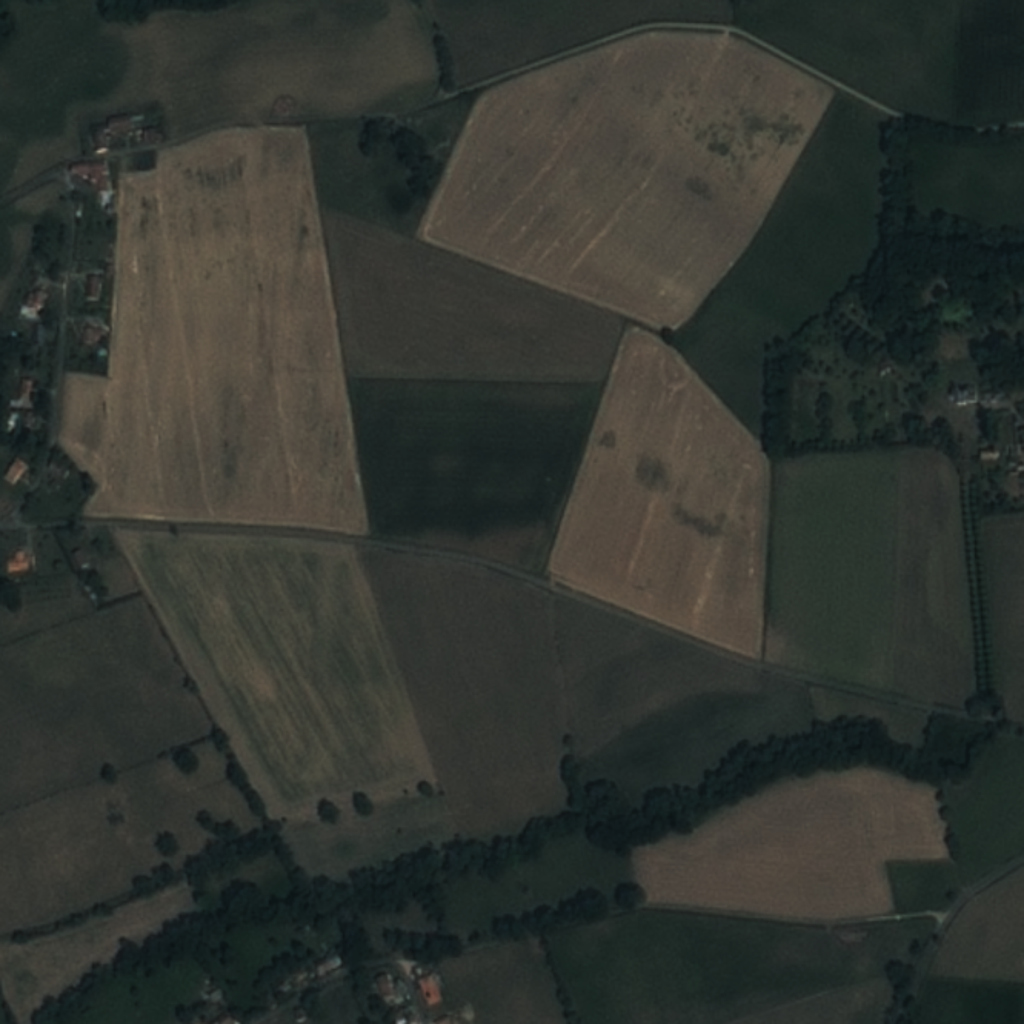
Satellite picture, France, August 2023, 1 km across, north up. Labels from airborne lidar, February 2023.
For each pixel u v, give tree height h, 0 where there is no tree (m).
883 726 17
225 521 0
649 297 0
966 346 0
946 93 0
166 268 0
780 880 0
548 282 0
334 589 0
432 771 0
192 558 0
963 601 0
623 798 16
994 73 0
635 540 0
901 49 0
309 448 0
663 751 0
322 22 0
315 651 0
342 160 0
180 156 0
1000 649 0
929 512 0
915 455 0
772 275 0
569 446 0
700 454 0
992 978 0
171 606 0
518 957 0
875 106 0
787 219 0
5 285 0
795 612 0
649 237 0
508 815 0
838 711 0
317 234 0
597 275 0
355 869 0
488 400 0
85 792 0
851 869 0
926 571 0
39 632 0
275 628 0
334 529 0
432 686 0
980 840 0
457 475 0
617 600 0
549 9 0
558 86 0
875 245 0
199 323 0
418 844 0
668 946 0
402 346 0
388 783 0
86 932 0
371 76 0
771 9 0
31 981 0
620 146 0
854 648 0
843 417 0
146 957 14
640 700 0
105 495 0
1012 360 18
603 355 0
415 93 0
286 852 17
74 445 0
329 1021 0
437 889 19
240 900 27
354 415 0
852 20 0
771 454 18
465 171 0
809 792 0
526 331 0
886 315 22
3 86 0
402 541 0
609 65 0
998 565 0
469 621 0
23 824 0
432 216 0
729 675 0
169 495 0
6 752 0
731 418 0
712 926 0
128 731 0
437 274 0
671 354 0
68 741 0
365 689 0
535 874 0
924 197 0
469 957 0
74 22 0
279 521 0
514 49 0
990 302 21
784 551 0
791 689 0
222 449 0
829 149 0
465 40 0
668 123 0
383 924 0
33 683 0
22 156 0
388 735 0
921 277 28
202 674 0
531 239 0
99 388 0
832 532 0
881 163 0
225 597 0
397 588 0
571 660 0
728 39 0
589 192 0
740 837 0
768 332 0
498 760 0
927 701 0
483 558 0
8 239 0
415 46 0
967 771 15
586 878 0
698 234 0
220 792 0
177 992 0
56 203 0
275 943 9
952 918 0
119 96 0
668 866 0
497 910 0
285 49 0
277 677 0
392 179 0
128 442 0
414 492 0
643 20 0
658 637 0
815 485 0
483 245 0
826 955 0
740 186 0
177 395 0
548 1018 0
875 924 0
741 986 0
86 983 14
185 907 0
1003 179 0
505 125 0
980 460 6
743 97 0
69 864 0
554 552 0
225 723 0
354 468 0
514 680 0
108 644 0
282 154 0
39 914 0
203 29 0
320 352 0
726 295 0
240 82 0
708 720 0
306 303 0
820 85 0
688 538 0
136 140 0
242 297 0
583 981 0
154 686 0
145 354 0
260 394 0
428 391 0
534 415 0
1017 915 0
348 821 0
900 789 0
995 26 0
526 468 0
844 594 0
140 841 0
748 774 19
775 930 0
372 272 0
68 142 0
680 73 0
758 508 0
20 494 0
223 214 0
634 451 0
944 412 0
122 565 0
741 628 0
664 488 0
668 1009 0
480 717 0
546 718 0
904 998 16
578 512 0
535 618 0
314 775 0
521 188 0
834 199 0
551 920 20
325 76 0
